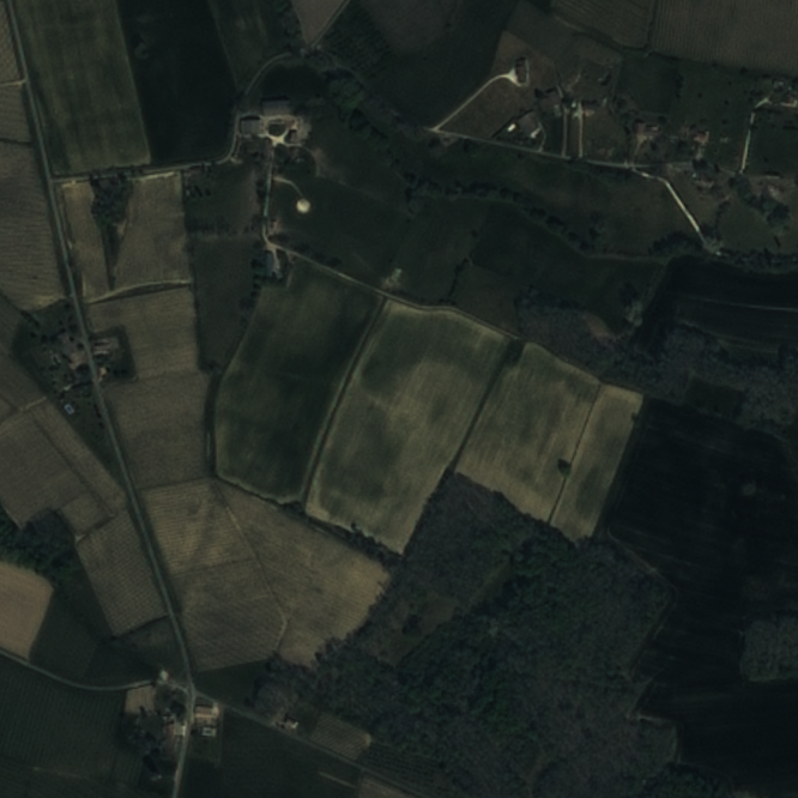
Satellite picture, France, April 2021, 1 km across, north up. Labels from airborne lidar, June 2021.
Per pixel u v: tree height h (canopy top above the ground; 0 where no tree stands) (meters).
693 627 0
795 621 17
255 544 0
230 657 0
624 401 0
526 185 0
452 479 15
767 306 0
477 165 0
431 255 0
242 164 0
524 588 20
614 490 0
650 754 18
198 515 0
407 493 0
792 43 0
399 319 0
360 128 17
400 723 24
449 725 24
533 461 0
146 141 0
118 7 0
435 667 14
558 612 24
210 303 0
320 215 0
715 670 0
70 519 0
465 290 0
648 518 0
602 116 0
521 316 15
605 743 12
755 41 0
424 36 0
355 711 9
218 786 0
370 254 0
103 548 0
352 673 17
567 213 0
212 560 0
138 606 0
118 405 0
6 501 0
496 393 0
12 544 22
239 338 0
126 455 0
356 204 0
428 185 12
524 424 0
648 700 0
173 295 0
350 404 0
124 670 0
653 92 0
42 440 0
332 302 0
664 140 6
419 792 0
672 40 0
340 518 0
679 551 0
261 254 10
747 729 0
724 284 0
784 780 0
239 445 0
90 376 14
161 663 0
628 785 28
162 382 0
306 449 0
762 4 0
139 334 0
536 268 0
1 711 0
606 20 0
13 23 0
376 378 0
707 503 0
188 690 0
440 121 0
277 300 0
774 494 0
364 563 0
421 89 0
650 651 0
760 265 17
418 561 16
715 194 13
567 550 25
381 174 0
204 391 0
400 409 0
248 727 0
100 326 0
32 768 0
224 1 0
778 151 0
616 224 0
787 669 17
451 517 12
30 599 0
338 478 0
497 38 0
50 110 0
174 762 0
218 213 0
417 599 15
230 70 0
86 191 0
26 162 0
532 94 0
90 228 0
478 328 0
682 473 0
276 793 0
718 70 11
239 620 0
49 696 0
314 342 0
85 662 0
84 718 0
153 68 0
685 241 19
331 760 0
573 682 10
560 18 0
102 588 0
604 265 0
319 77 0
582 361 16
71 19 0
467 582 20
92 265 0
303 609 0
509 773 22
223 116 0
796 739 0
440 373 0
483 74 0
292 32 13
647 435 0
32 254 0
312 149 0
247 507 0
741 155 0
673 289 0
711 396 0
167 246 0
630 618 18
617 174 13
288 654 0
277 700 17
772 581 0
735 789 0
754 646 21
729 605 0
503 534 21
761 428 10
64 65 0
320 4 0
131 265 0
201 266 0
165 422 0
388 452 0
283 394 0
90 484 0
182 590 0
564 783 18
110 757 0
